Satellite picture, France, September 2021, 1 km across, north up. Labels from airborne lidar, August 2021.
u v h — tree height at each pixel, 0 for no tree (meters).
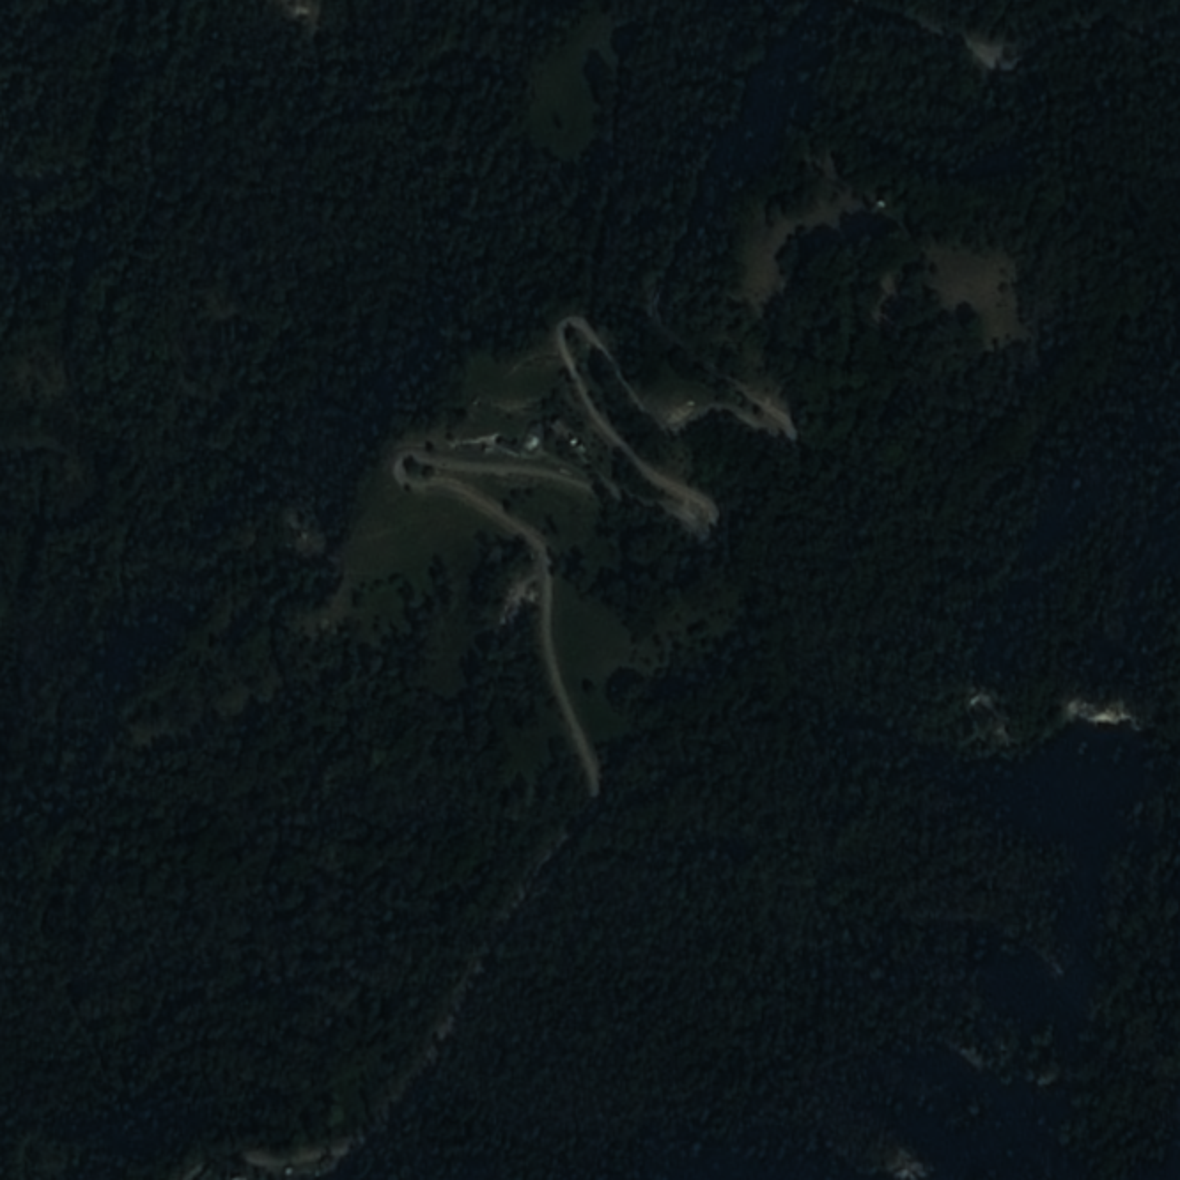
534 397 0
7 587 18
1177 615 13
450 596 20
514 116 21
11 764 8
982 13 18
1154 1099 20
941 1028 6
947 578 26
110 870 23
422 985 23
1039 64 17
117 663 17
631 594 20
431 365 16
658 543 30
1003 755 20
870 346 37
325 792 31
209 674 8
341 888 7
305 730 27
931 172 18
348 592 0
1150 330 18
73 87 17
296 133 26
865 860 15
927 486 13
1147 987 20
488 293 26
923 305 7
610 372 15
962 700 7
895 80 20
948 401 21
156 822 29
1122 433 11
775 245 0
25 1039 26
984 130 27
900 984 19
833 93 14
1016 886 10
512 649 27
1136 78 8
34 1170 13
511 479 0
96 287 24
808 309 27
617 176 24
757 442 16
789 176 27
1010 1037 12
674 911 23
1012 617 12
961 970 8
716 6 8
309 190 24
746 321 16
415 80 20
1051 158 17
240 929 22
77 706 12
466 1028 19
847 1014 25
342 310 24
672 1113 20
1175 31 17
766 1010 21
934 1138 16
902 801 21
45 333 17
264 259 25
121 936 23
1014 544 9
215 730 22
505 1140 15
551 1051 13
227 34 20
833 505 13
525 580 0
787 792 11
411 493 7
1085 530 20
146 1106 27
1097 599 12
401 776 21
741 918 22
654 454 10
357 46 25
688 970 21
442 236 23
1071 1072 19
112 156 28
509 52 9
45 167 18
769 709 27
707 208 13
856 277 18
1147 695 10
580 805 7
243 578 12
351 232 24
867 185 27
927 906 10
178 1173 15
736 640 13
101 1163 18
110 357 24
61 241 21
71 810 19
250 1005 30
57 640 20
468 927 16
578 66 0
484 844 23
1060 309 14
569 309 22
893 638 23
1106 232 15
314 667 12
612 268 21
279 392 29
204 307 10
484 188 19
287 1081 28
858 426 33
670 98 20
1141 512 25
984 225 29
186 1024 25
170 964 23
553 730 0
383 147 24
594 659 0
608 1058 16
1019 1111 7
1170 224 8
